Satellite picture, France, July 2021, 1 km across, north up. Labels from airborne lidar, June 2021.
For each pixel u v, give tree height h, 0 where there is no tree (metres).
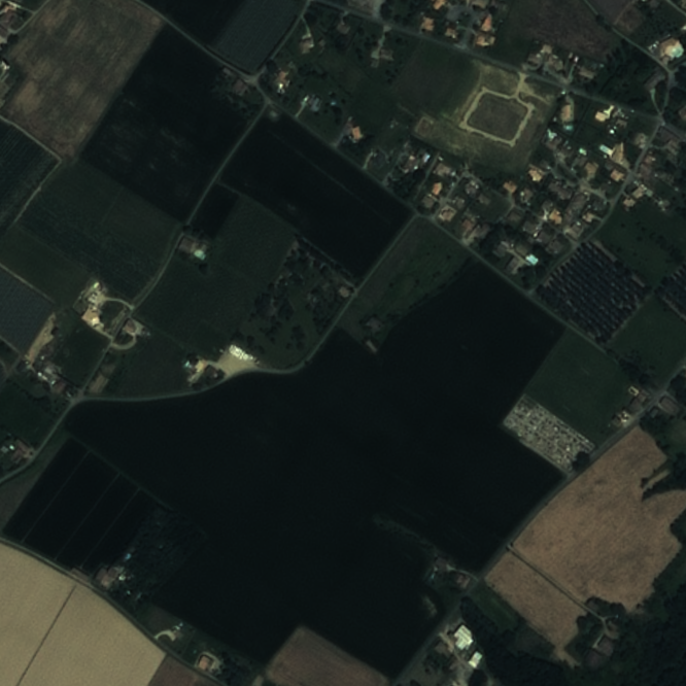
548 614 0
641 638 9
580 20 0
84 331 0
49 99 0
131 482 0
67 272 0
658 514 0
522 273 7
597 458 0
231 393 0
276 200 0
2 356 0
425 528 0
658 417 11
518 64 0
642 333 0
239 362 0
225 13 0
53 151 0
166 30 0
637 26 0
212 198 0
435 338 0
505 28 0
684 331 0
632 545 0
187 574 0
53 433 0
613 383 0
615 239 0
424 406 0
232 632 0
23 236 0
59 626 0
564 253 0
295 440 0
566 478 0
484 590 0
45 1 0
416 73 0
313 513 0
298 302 0
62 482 0
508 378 0
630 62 10
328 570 0
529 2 0
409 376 0
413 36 0
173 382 0
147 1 0
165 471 0
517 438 0
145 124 0
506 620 0
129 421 0
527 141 0
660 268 0
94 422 0
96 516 0
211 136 0
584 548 0
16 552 0
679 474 10
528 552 0
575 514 0
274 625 0
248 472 0
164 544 7
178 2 0
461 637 0
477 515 0
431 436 0
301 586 0
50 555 0
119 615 0
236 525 0
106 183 0
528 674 11
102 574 0
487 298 0
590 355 0
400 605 0
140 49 0
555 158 0
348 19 7
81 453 0
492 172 0
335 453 0
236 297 0
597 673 8
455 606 0
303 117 0
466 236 0
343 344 0
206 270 10
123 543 0
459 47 0
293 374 0
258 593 0
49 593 0
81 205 0
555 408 0
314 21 15
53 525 0
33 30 0
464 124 0
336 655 0
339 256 0
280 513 0
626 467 0
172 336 0
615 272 16
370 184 0
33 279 0
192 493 0
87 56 0
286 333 0
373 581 0
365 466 0
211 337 0
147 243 0
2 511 0
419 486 0
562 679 21
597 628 7
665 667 12
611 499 0
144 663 0
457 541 0
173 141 0
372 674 0
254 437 0
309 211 0
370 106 0
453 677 0
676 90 10
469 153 0
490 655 15
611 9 0
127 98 0
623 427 0
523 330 0
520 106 0
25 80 0
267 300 10
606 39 0
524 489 0
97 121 0
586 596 0
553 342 0
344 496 0
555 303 16
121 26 0
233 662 13
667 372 0
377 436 0
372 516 0
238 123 0
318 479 0
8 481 0
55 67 0
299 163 0
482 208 0
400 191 16
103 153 0
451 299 0
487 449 0
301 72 8
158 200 0
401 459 0
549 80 0
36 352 0
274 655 0
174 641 0
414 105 0
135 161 0
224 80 7
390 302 0
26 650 0
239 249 0
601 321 14
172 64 0
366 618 0
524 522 0
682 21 0
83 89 0
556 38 0
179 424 0
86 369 0
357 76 0
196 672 0
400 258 0
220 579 0
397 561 0
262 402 0
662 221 0
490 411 0
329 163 0
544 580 0
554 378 0
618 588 0
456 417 0
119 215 0
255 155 0
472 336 0
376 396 0
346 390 0
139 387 0
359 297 0
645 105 8
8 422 0
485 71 0
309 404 0
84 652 0
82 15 0
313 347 0
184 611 0
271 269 0
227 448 0
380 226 0
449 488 0
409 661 0
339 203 0
